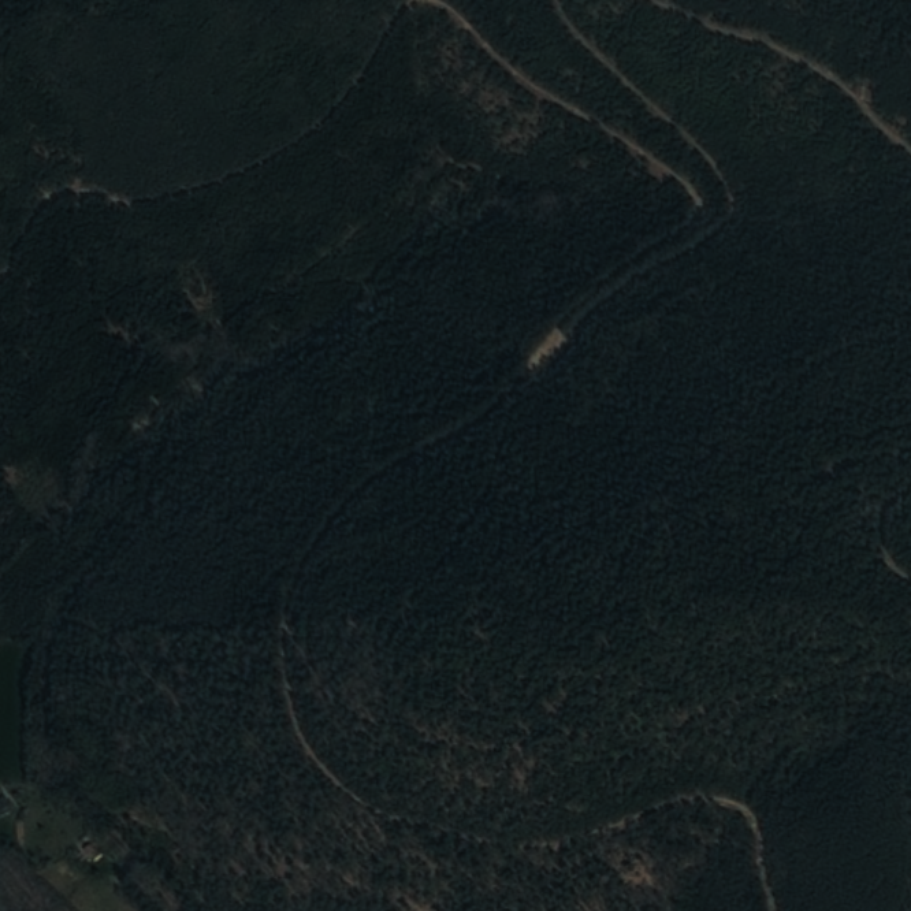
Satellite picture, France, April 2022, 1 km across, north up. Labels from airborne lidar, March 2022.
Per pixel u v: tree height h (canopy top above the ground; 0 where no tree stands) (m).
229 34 16
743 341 15
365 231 8
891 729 18
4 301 22
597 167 13
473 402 21
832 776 19
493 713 24
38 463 9
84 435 13
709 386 14
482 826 13
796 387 20
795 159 11
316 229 14
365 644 15
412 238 8
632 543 11
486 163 10
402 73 22
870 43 6
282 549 17
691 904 21
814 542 27
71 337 26
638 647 15
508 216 24
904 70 10
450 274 14
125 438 14
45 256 29
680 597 29
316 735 13
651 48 13
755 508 22
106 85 16
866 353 22
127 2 12
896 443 23
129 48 16
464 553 17
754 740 14
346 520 15
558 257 15
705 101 10
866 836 18
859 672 21
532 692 30
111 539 20
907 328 18
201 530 22
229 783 25
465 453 22
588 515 23
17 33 16
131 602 20
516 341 13
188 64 15
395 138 17
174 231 18
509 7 9
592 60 12
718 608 18
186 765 10
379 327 23
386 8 17
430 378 17
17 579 20
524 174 14
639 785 17
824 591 21
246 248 16
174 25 7
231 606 19
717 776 13
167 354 30
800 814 18
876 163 10
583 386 16
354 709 13
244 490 13
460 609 16
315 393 20
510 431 18
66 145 12
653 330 13
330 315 7
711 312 17
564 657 21
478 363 15
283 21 17
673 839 30
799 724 20
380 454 17
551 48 11
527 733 9
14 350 18
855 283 17
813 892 17
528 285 16
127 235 16
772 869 14
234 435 15
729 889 16
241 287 20
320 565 15
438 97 13
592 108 13
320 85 14
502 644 18
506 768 8
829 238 13
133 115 14
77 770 14
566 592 22
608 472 18
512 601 23
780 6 9
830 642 16
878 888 13
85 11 11
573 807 28
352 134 24
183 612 20
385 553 10
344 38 18
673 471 16
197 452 18
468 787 11
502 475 20
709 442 19
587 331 14
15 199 17
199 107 16
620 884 31
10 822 0
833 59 6
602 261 19
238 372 19
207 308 8
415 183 24
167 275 9
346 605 7
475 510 22
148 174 14
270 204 19
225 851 23
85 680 29
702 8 10
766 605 22
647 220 18
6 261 18
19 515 28
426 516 19
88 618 19
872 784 18
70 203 26
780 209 9
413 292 16
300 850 19
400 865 16
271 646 20
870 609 21
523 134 7
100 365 19
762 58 11
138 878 30
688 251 15
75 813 18
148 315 30
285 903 16
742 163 11
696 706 24
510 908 28
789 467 25
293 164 21
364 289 12
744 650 23
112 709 21
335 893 10
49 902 26
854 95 0
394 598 14
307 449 13
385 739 18
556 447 15
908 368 22
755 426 22
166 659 12
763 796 18
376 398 18
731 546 22
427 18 11
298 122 17
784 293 16
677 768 34
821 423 17
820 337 13
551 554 21
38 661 16
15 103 12
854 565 22
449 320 14
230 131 15
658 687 27
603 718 26
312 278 13
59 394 19
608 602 22
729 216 14
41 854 12
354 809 28
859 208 14
